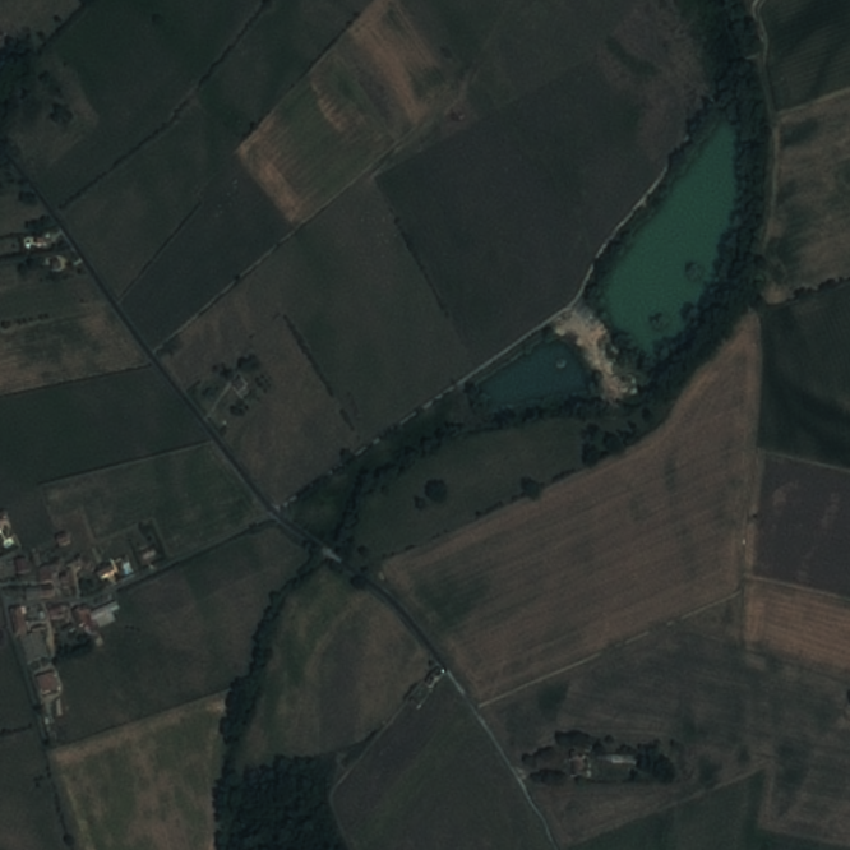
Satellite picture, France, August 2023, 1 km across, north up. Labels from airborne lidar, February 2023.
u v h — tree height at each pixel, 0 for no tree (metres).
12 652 0
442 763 0
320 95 0
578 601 0
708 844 0
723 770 0
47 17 0
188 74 0
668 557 0
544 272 0
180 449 0
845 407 0
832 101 0
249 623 0
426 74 0
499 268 0
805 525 0
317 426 0
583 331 0
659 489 0
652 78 0
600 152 0
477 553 0
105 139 0
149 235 0
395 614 0
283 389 0
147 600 0
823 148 0
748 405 0
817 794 0
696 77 0
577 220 0
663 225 0
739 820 0
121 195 0
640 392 0
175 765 0
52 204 0
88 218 0
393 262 0
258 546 0
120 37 0
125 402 0
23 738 0
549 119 0
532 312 0
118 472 0
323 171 0
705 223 0
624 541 0
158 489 0
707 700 0
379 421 0
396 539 0
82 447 0
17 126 0
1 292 0
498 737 0
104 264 0
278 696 0
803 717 0
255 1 0
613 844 0
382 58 0
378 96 0
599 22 0
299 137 0
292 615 0
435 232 0
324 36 0
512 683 0
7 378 0
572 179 0
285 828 14
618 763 0
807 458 0
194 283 0
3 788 0
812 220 0
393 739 0
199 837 0
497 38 0
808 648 0
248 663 0
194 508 0
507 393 0
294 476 0
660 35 0
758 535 0
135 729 0
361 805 0
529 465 0
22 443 0
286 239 0
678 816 0
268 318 0
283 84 0
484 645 0
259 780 21
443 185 0
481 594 0
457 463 0
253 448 0
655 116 0
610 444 23
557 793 0
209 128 0
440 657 0
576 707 0
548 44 0
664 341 0
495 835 0
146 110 0
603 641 0
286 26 0
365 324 0
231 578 0
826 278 0
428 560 0
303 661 0
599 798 0
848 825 0
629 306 0
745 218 16
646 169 0
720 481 0
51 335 0
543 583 0
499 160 0
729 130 0
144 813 0
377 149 0
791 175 0
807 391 0
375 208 0
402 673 0
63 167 0
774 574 0
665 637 0
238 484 0
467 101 0
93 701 0
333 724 0
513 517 0
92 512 0
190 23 0
